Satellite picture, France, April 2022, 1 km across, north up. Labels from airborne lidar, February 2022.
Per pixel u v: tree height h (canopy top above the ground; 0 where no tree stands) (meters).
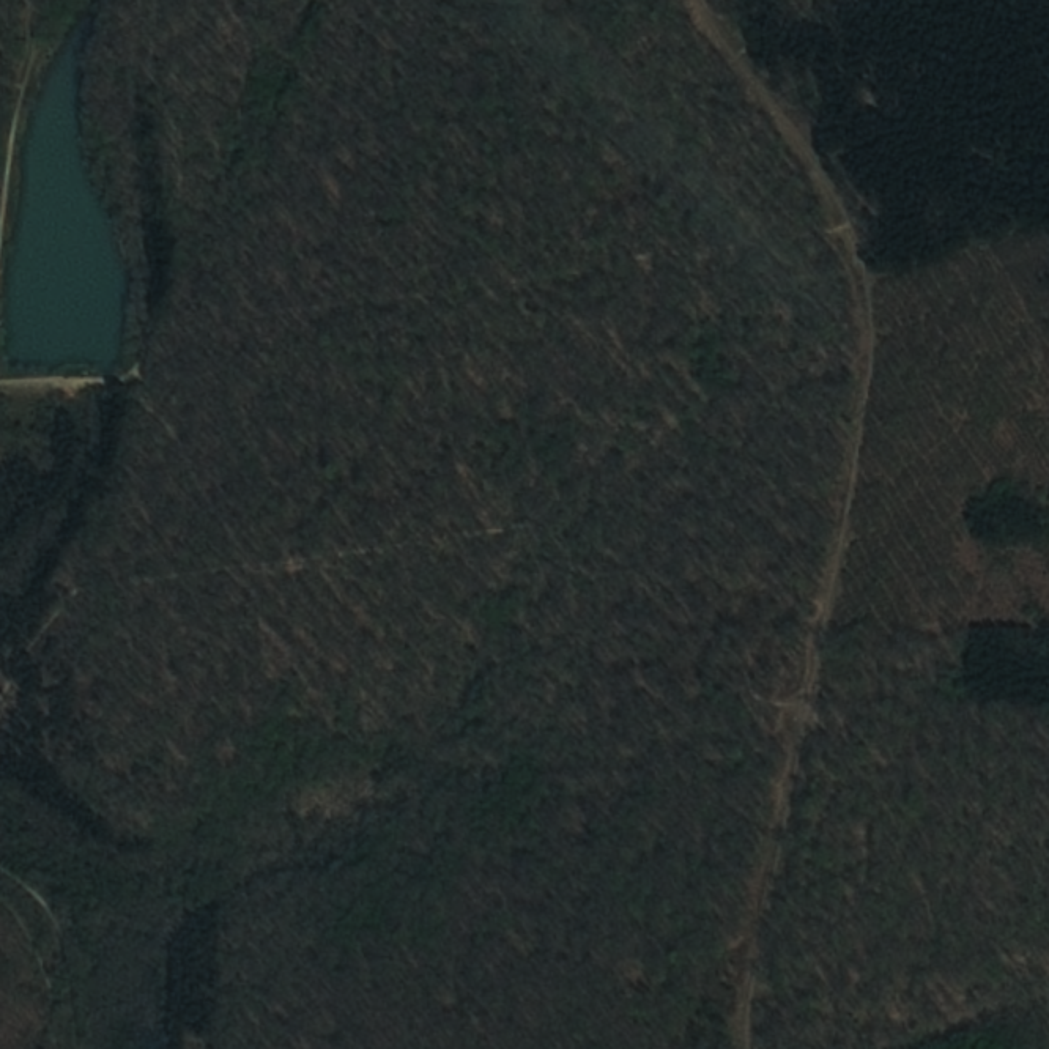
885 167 28
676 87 31
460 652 25
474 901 0
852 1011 31
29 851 25
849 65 23
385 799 19
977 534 14
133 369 0
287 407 30
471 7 29
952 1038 0
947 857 25
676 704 29
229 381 26
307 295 28
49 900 17
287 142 29
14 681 22
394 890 28
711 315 30
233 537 30
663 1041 28
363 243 29
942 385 9
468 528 28
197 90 25
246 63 28
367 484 29
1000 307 11
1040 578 0
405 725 24
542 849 32
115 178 23
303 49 26
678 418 30
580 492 23
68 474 26
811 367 29
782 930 26
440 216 31
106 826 18
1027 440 6
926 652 31
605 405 32
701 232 31
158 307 18
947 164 31
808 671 0
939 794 24
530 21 23
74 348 0
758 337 29
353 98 31
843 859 29
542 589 29
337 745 20
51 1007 14
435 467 31
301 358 29
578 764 28
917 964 26
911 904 28
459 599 28
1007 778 27
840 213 0
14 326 0
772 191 28
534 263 25
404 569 30
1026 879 29
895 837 27
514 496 29
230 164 21
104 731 24
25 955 0
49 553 23
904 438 0
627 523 29
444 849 25
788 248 29
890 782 24
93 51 24
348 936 24
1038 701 17
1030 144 34
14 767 23
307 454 28
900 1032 31
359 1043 28
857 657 29
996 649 20
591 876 28
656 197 27
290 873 22
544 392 28
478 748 28
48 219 0
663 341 22
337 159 32
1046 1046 26
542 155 28
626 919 30
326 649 28
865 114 29
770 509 29
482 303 26
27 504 28
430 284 20
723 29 0
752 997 0
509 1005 31
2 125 22
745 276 26
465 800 25
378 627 0
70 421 27
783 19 30
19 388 0
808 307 21
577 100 28
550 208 28
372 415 30
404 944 26
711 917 29
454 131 33
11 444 23
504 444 24
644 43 29
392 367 31
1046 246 18
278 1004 23
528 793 22
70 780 21
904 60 33
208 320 27
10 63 22
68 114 0
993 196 29
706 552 0
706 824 27
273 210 30
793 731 0
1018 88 34
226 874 21
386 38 32
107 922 10
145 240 23
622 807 28
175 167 26
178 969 27
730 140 30
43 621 13
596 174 28
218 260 29
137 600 27
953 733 27
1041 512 13
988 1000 24
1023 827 25
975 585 9
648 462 30
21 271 0
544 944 0
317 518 29
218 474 0
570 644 0
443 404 30
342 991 29
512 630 20
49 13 26
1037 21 31
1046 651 21
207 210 24
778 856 0
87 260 0
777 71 30
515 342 30
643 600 25
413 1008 25
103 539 26
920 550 6
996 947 28
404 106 27
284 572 30
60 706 10
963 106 33
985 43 30
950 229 28
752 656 0
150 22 27
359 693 29
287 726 24
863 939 26
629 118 29
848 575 9
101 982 22
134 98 30
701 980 20
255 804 24
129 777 10
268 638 29
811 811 29
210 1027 20
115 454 25
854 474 0
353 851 23
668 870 27
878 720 27
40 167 0
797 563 28
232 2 24
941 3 32
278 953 24
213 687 0
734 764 27
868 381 0
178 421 23
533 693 26
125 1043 0
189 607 23
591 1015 29
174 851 19
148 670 24
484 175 31
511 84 26
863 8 31
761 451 29
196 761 28
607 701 0
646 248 27
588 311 27
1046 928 27
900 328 8
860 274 0
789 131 0
